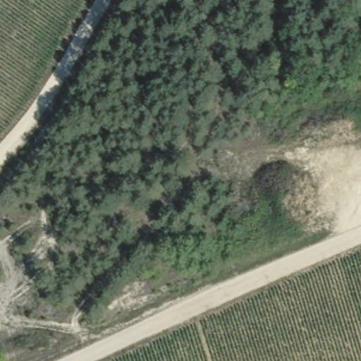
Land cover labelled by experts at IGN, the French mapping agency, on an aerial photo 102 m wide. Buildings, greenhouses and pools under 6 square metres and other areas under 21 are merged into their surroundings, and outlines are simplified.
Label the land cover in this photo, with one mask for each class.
<instances>
[{"label":"coniferous trees","instance_id":"1","mask_svg":"<svg viewBox=\"0 0 361 361\"><path fill-rule=\"evenodd\" d=\"M124 10L120 14V20L109 21L107 30H103V38L93 45L96 58L86 62L85 68L80 72L78 85L69 87V93L75 100L71 114L51 127L45 144L42 148H37V159H34L30 166L24 165L23 173L14 176L13 185H8L16 195L24 193L28 196V185L34 183L35 186H41L42 195L54 196L56 203L45 209L48 217L45 231L47 234L55 238V245L49 248L47 257L39 259L37 255L32 254H24V274L30 276L34 281L32 289L38 290L39 298L47 299L49 305L58 306L66 299L75 302L79 310L82 312L89 313L93 305L109 306L114 299L123 295L124 286L137 282L142 275L147 278L157 275L166 278L171 268L173 271H182L185 276L200 274L203 278H209L214 264L228 258V245L240 247L241 244L250 241V238L243 235H234V230L243 223L245 217L255 213L259 200H268L275 193H281L283 197L295 195L296 182L292 175H298L302 169L290 164L289 161L286 159L262 164L252 173L250 179H241L234 175L230 179H217V176H213L206 169L192 178L185 175L188 152L183 148H186V145H192L195 152L200 154L212 141H234L243 135L250 127V123L245 121L247 118H255L259 123H271L272 114L276 109L279 106L288 107L292 100V94L285 90V80L292 75L293 63L299 61L300 52L306 49L307 56L313 59L317 66H322L323 73L317 78V82L320 83L323 80L337 82L338 79L341 69L350 59L343 55L341 48L348 41V35L344 32L355 27L358 18L361 17V0H124L120 4ZM289 16H296V20L299 21V34L281 39L279 31L288 23Z\"/></svg>","mask_w":361,"mask_h":361},{"label":"vineyard","instance_id":"2","mask_svg":"<svg viewBox=\"0 0 361 361\"><path fill-rule=\"evenodd\" d=\"M94 0H0V142L30 109L35 93L47 83L49 76H54L52 66L61 68L59 61L68 52L76 31L86 20L85 6L92 7ZM97 361H361V244L345 252V255H334L312 267L283 276L269 285L228 300L199 316H193L188 322L161 331L155 336L142 338L137 343Z\"/></svg>","mask_w":361,"mask_h":361},{"label":"herbaceous vegetation","instance_id":"3","mask_svg":"<svg viewBox=\"0 0 361 361\"><path fill-rule=\"evenodd\" d=\"M124 0H110L109 7L93 25L92 34L86 38L82 55L73 62L71 75L49 90L54 94L52 103L45 109L35 111L37 124L24 135V145L18 147L14 154H8L6 162L0 168V240L8 245V254L13 258L14 265L24 271V254H32V247L39 235L47 234L45 231L48 217L45 209L56 203L54 196L42 195L41 186H35L34 183L28 185V196L24 193L16 195L8 185H13L14 176L23 173L24 165L30 166L34 159H37V148H42L45 144L51 127L71 114L75 100L69 93V87L78 85L80 72L85 68L86 62L96 58L93 45L103 38V30H107L109 21L120 20V14L124 10L120 4ZM245 121L250 123V127L243 135L234 141H212L200 154L195 152L192 145H186V148H183L188 152L185 175L192 178L206 169L213 176H217V179H230L234 175L241 179H250L252 173L262 164L286 159V152L295 151L296 148L326 151L341 147L361 148V133L354 131L353 121L340 120L324 127H306L295 141L288 145H272L267 138L262 137L259 123L255 118H247ZM290 164L302 169L298 175H292L296 182L295 195L283 197L282 206L293 220L300 221L303 228L300 237L290 238L285 243L271 244L267 250L251 252L244 258H228L214 264L209 278H203L200 274L185 276L182 271H173L171 268L166 278L157 275L147 278L142 275L137 282H145L144 288L147 293H155L161 286H168V292L164 296H159L134 310L124 307L110 310L109 306L93 305L89 313L82 312L80 326L86 327L89 334H100L116 324L130 322L147 310L164 305L169 300L185 298L203 289L204 286L227 281L329 238L331 231L336 227L337 214L326 213L320 206L319 185L314 182L312 173L303 169V161H289ZM17 286H28L32 296L28 299L27 305L16 306V316L71 323L72 314L79 310L75 302L66 299L58 306L49 305L47 299L39 298L38 290L32 289L34 281L30 276L24 274L18 279ZM93 338L80 341L73 333L51 329H20L11 337L6 331H0V361H56L93 344Z\"/></svg>","mask_w":361,"mask_h":361},{"label":"pervious surface","instance_id":"4","mask_svg":"<svg viewBox=\"0 0 361 361\"><path fill-rule=\"evenodd\" d=\"M110 0H94L92 7L85 6L86 20L76 31L68 52L59 61L61 68L52 66L54 76H49L47 83L35 93L30 109L0 142V168L6 162L8 154H14L18 147L24 145V135L37 124L35 111L45 109L52 103L54 94L49 90L71 75L73 62L82 55L86 38L92 34L93 25L109 7ZM286 159L289 161H303V169L312 173L314 182L319 185L320 206L326 213L337 214L336 227L331 231L329 238L227 281L204 286L203 289L185 298L169 300L164 305L147 310L130 322L116 324L100 334H89L86 327L80 326L82 312L79 310L72 314L71 323L16 316V306L27 305L28 299L32 296L28 286H17L18 279L24 274V271L14 265L13 258L8 254V245L0 240V331H6L11 337L20 329H51L73 333L80 341L93 338V344L56 361H97L137 343L142 338L155 336L161 331L188 322L193 316H199L228 300L269 285L283 276L312 267L334 255H345V252L361 244V148L341 147L326 151L296 148L295 151L286 152ZM55 245V238L47 234L39 235L32 247V254L37 255L39 259L47 257L49 248ZM145 282H137L124 286L123 295L114 299L109 306L110 310L124 307L134 310L159 296H164L168 292V286H161L155 293H147L144 288Z\"/></svg>","mask_w":361,"mask_h":361},{"label":"brushwood","instance_id":"5","mask_svg":"<svg viewBox=\"0 0 361 361\"><path fill-rule=\"evenodd\" d=\"M323 92L316 103L305 104L292 100L288 107L279 106L276 109L272 114L271 123H259L262 137L267 138L272 145H288L295 141L306 127H324L340 120L353 121L354 131L361 133V90H355L353 96L347 99L344 92L347 87L343 80L338 79L337 82L323 80L320 83ZM283 197L281 193H275L268 200H259L255 213L245 217L243 223L234 230V235H243L250 238V241L241 244L240 247L228 245V258H244L251 252L267 250L271 244L285 243L290 238L300 237L303 228L300 221L293 220L282 206Z\"/></svg>","mask_w":361,"mask_h":361},{"label":"deciduous trees","instance_id":"6","mask_svg":"<svg viewBox=\"0 0 361 361\"><path fill-rule=\"evenodd\" d=\"M299 21L296 20V16H289L288 23L279 31L281 39L299 34ZM348 35V41L341 48L343 55L350 59L341 69L338 79L343 80L347 87L344 92L347 99L353 96L355 90H361V17L358 18L355 27L344 32ZM323 73L322 66H317L313 59L307 56L306 49L300 52L299 61L293 63L292 75L285 80V90L292 94V100L305 104L316 103L323 92L320 83L317 82V78Z\"/></svg>","mask_w":361,"mask_h":361}]
</instances>
